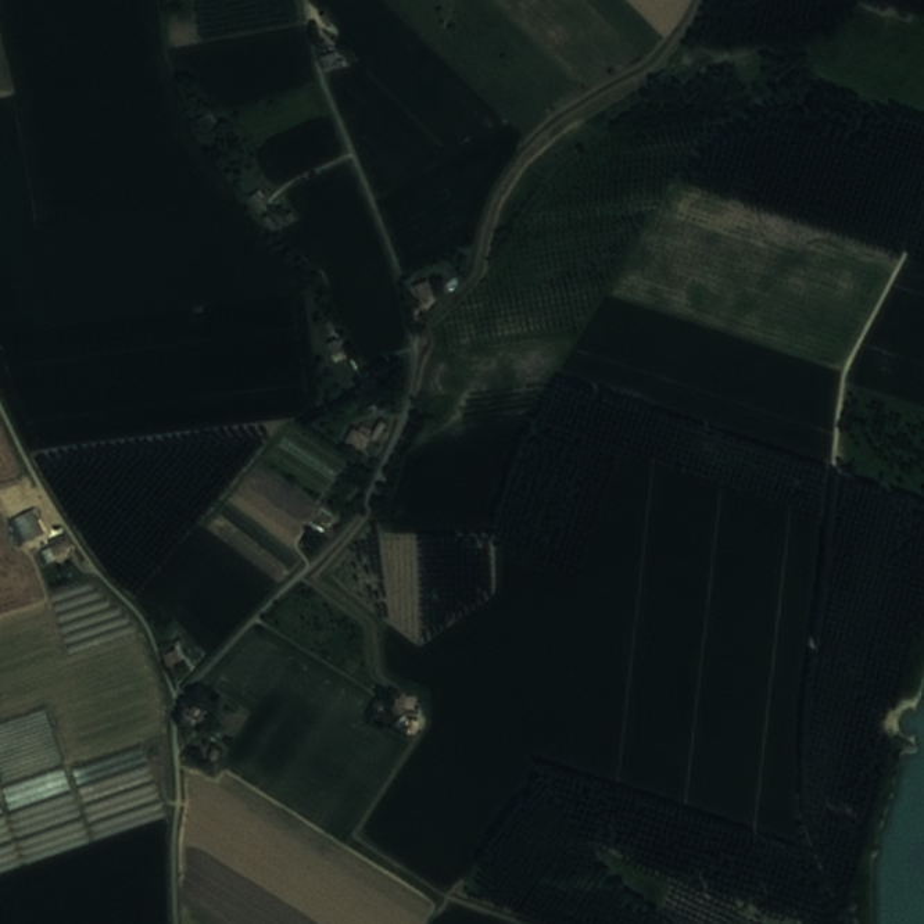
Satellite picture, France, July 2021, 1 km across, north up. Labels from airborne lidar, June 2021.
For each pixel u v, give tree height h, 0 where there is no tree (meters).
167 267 0
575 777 24
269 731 0
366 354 0
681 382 0
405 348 0
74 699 0
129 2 0
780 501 19
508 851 25
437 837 0
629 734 0
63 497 21
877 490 21
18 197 0
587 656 0
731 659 0
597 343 0
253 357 0
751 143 29
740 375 0
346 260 0
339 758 0
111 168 0
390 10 0
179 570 0
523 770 0
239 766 0
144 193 0
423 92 0
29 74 0
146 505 25
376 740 0
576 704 0
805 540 0
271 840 0
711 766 0
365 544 14
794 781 0
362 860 0
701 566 0
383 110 0
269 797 0
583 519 23
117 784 0
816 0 28
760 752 0
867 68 0
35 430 0
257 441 17
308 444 0
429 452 0
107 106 0
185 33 0
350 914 0
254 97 0
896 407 0
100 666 0
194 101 7
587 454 22
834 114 22
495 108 0
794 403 0
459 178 0
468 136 0
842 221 24
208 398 0
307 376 0
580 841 25
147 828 0
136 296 0
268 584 0
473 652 0
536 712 0
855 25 0
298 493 0
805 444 0
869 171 29
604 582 0
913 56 0
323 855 0
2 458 0
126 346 0
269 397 0
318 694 0
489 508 0
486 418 0
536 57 0
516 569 0
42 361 0
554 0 0
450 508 0
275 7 12
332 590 0
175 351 0
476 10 0
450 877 0
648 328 0
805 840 11
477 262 0
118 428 0
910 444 10
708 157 29
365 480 9
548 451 25
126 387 0
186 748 5
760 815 0
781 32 29
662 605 0
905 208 22
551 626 0
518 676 0
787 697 0
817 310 0
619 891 26
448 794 0
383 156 0
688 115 11
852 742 23
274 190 0
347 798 0
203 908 0
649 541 0
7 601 0
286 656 0
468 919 0
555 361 0
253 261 0
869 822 22
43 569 0
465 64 0
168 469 21
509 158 0
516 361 0
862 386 0
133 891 0
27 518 0
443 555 19
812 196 29
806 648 0
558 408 24
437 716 0
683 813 23
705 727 0
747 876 22
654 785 0
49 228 0
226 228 0
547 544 21
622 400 25
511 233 7
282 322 0
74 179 0
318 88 0
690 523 0
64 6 0
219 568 0
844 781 13
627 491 0
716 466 19
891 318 0
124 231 0
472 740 0
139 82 0
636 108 9
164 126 0
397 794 0
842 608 23
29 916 0
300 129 0
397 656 0
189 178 0
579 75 0
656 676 0
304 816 0
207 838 0
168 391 0
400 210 0
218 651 0
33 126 0
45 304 0
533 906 25
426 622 12
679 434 20
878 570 24
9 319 0
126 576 25
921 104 0
